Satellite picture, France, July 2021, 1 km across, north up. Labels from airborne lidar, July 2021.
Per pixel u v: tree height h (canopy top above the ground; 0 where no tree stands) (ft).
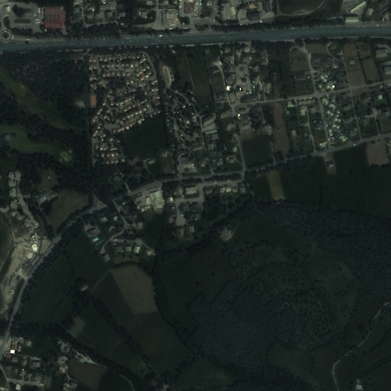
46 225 59
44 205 55
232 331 47
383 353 0
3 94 60
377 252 41
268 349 26
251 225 0
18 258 0
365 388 36
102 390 0
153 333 0
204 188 24
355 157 0
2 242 0
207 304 52
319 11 0
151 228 0
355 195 0
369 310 0
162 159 0
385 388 0
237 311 37
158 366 0
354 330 0
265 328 41
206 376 0
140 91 38
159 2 19
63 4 37
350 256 41
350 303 0
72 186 104
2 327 60
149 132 0
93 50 30
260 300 31
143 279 0
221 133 17
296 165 62
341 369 0
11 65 51
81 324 0
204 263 0
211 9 0
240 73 0
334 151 0
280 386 77
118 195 64
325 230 43
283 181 0
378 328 0
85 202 0
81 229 65
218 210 104
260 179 0
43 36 62
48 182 0
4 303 0
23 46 0
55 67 43
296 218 39
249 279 24
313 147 23
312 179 0
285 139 0
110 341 0
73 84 48
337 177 0
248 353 23
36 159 65
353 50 0
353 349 40
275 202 37
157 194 0
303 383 34
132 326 0
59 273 0
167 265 0
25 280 0
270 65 31
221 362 54
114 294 0
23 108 0
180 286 0
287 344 31
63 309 0
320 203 41
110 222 43
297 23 67
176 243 36
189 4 0
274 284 20
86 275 0
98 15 0
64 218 0
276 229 0
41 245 0
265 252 0
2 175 0
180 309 0
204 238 28
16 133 0
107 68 33
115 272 0
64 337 60
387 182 0
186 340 63
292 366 0
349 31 0
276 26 73
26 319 0
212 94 40
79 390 0
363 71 25
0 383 0
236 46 51
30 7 0
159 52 58
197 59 0
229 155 19
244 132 0
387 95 51
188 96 44
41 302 0
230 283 44
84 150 57
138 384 53
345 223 49
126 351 0
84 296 89
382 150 0
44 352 0
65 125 0
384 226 61
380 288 44
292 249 0
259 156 0
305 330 31
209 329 51
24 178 61
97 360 44
